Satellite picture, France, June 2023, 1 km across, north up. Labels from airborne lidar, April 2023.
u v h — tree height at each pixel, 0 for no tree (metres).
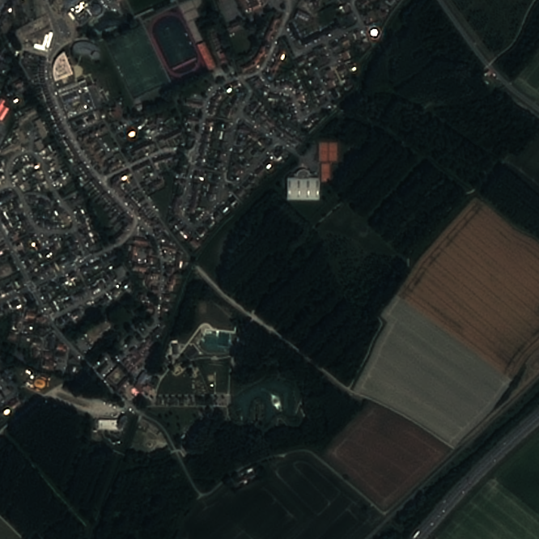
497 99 14
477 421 0
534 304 0
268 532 0
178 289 0
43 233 0
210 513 0
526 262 0
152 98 0
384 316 0
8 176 0
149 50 0
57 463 32
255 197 0
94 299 0
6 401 0
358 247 0
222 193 0
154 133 0
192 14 0
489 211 0
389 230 24
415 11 14
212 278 0
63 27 0
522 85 0
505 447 0
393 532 13
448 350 0
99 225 12
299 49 0
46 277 0
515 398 0
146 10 0
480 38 0
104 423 0
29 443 28
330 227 0
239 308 0
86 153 0
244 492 0
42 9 0
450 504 0
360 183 27
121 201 0
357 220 0
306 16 0
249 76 0
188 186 0
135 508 14
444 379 0
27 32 0
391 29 0
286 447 10
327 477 0
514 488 0
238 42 0
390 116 22
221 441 18
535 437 0
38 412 28
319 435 7
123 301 11
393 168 23
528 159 0
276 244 23
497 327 0
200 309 0
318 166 0
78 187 10
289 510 0
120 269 0
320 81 0
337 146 0
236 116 0
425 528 0
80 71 0
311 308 6
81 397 0
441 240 0
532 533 0
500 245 0
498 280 0
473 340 0
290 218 13
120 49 0
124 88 0
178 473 10
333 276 9
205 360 0
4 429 0
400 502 0
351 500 0
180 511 8
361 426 0
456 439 0
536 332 0
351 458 0
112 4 0
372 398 0
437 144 21
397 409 0
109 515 13
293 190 0
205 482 9
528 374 0
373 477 0
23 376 0
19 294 0
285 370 10
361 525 0
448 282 0
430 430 0
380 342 0
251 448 22
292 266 15
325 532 0
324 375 9
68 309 0
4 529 0
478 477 0
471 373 0
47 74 0
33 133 0
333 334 25
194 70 0
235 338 0
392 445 0
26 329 0
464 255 0
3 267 0
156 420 0
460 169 21
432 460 0
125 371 8
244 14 6
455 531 0
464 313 0
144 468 7
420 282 0
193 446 25
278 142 0
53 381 0
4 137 0
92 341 0
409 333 0
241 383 16
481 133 20
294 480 0
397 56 22
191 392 0
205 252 0
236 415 0
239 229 22
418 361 0
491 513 0
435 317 0
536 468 0
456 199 18
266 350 19
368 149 24
